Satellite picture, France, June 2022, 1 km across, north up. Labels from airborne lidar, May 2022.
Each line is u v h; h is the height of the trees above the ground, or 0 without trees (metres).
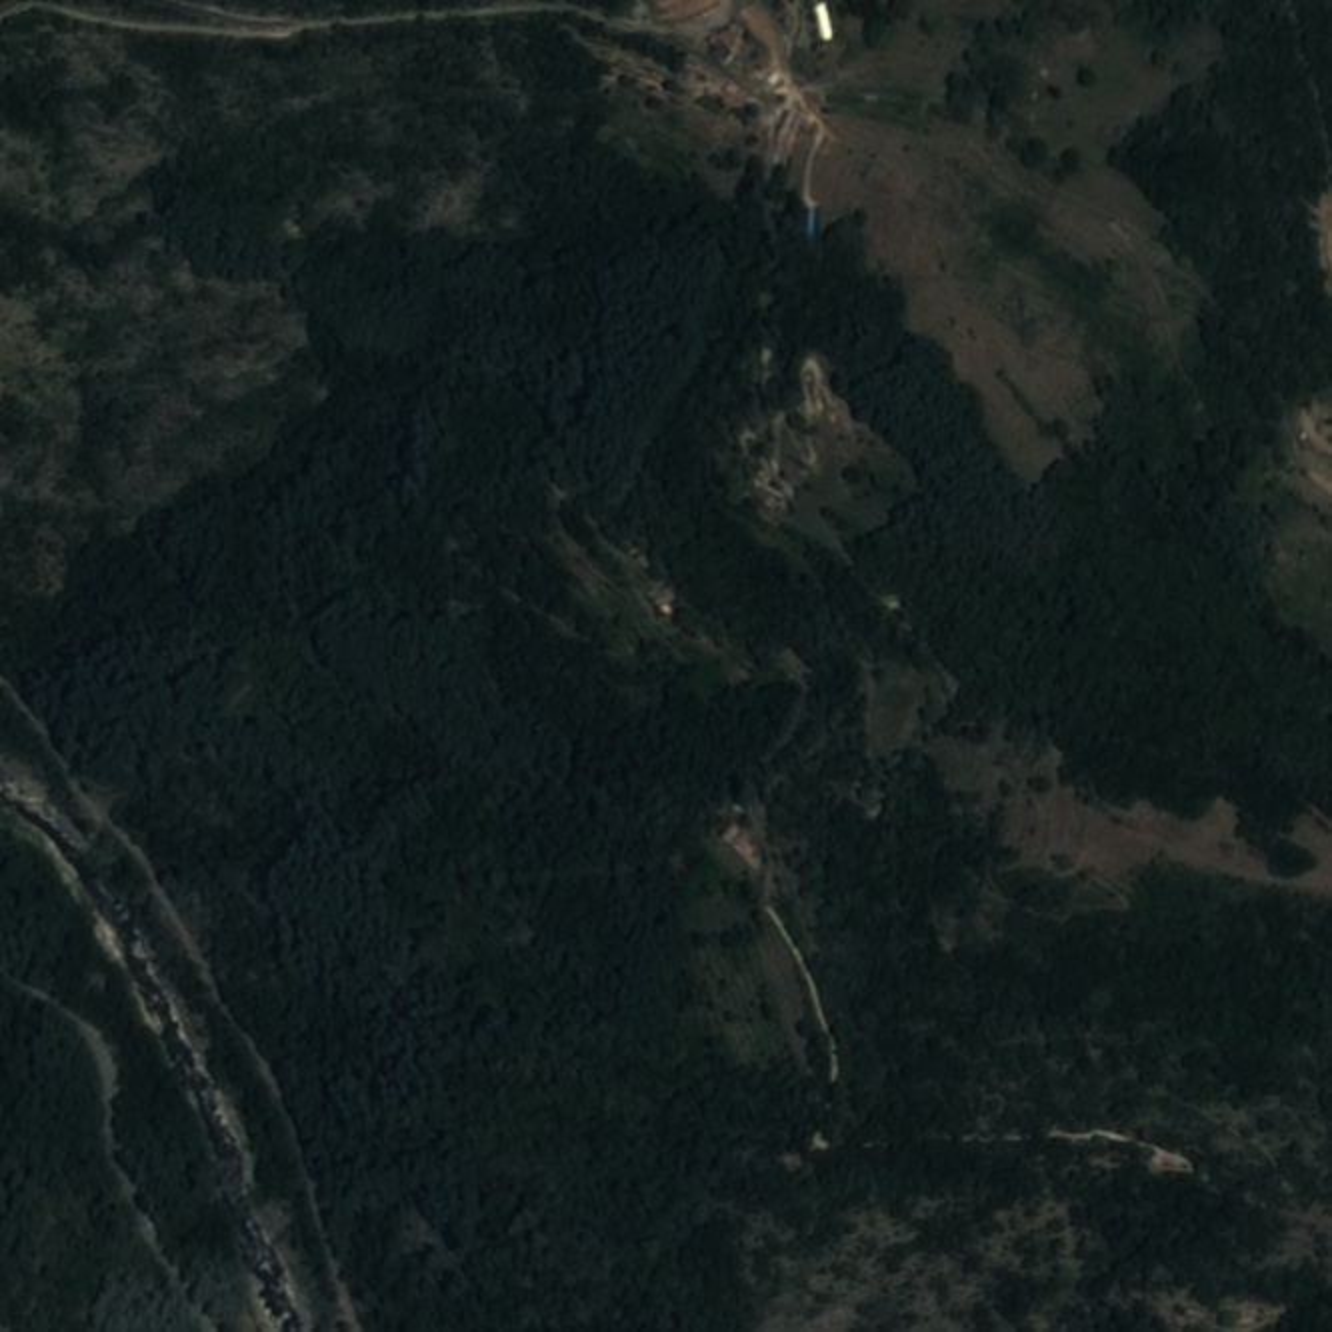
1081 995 11
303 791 31
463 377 9
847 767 12
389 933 26
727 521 9
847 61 0
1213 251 19
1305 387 11
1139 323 0
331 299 30
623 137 7
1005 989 12
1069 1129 9
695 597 9
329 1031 20
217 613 19
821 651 9
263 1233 0
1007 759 7
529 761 23
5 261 9
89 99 6
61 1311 10
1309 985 8
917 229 0
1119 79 0
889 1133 13
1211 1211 8
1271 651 19
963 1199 9
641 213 18
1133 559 20
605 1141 9
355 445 15
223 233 24
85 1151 30
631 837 9
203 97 6
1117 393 19
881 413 26
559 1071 14
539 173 7
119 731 30
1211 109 12
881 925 11
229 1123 0
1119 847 0
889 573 12
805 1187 12
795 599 13
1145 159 11
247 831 15
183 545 29
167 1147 17
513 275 32
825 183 0
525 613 7
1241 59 9
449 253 7
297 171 9
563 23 10
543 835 15
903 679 0
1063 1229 11
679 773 18
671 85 10
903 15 17
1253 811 12
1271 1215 6
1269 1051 6
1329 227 0
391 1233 12
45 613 13
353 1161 11
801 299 10
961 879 11
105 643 15
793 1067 8
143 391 6
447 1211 33
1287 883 9
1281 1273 6
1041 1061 14
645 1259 9
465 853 5
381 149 6
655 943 23
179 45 10
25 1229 27
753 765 8
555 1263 10
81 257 19
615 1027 18
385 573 9
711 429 10
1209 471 20
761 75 0
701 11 0
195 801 13
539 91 10
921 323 0
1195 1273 13
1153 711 11
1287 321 15
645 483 14
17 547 7
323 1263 7
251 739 33
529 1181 8
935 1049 15
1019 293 0
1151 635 17
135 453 6
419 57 10
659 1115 14
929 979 12
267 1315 0
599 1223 7
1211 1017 7
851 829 14
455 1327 7
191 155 14
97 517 10
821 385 0
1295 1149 11
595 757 15
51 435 11
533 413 9
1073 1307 9
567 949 10
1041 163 17
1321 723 22
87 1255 11
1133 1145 10
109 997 14
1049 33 0
